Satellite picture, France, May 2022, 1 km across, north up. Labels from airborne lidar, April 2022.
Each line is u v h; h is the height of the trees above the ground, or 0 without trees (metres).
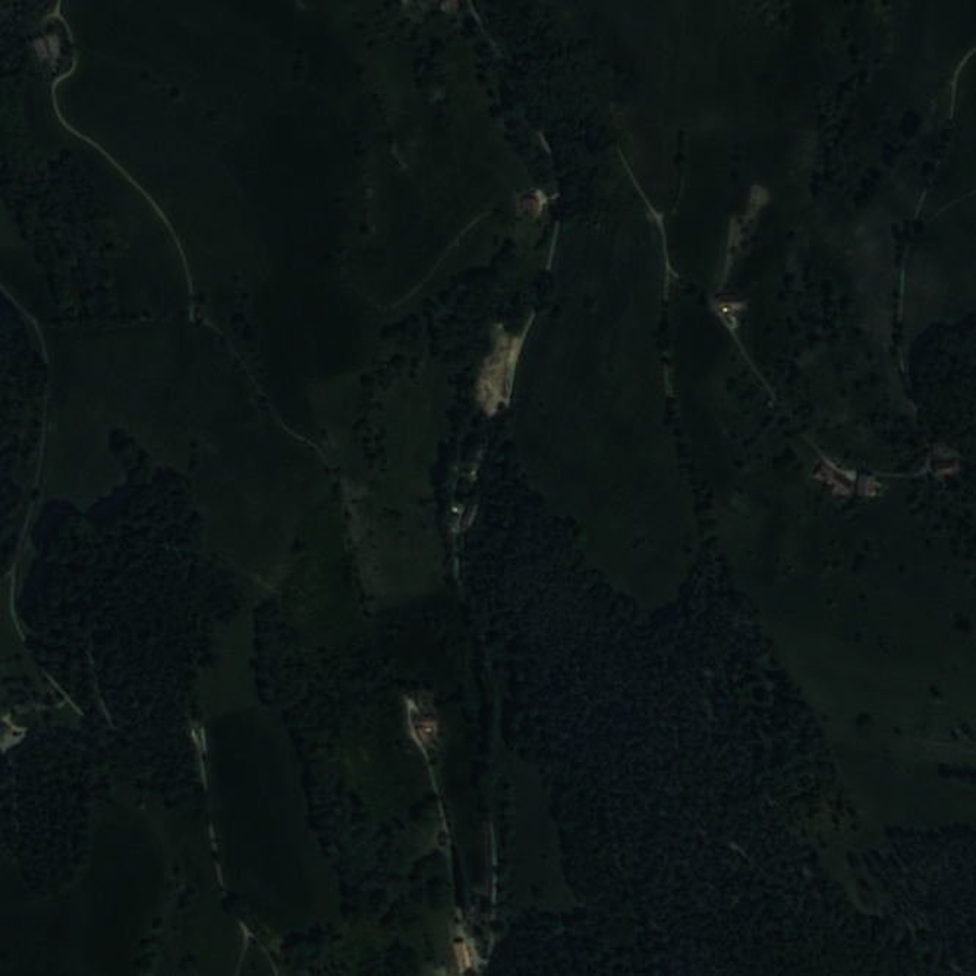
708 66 0
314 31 0
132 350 0
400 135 0
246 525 0
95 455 0
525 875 0
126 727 19
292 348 0
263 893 0
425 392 0
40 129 0
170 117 0
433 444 0
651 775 29
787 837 27
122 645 12
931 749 0
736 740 14
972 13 0
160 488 22
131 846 0
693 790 20
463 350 28
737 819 20
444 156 0
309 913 0
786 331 0
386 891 22
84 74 0
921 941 17
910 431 10
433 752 5
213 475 0
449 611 0
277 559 0
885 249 0
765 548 0
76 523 23
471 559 5
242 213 0
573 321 0
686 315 0
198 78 0
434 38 0
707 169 0
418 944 0
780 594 0
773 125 0
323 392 0
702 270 0
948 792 0
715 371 0
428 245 0
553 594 18
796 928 22
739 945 23
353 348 0
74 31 0
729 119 0
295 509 0
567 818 20
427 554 0
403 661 0
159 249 0
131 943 0
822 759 22
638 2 0
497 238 7
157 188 0
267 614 12
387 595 0
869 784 0
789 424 15
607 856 13
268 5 0
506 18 17
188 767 10
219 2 0
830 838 0
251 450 0
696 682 27
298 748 21
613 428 0
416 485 0
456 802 0
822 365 0
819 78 0
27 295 0
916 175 0
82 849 17
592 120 19
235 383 0
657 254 0
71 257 20
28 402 29
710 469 0
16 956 0
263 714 0
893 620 0
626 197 0
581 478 0
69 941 0
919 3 0
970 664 0
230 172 0
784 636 0
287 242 0
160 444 0
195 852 0
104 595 10
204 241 0
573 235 0
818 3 0
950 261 0
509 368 0
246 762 0
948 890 24
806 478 0
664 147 0
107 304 19
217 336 0
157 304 0
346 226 0
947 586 0
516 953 16
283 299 0
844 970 23
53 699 8
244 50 0
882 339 0
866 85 10
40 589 25
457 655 6
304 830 0
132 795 0
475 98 0
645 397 0
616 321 0
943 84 0
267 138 0
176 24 0
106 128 0
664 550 0
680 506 0
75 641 25
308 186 0
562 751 28
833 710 0
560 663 29
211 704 0
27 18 7
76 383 0
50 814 10
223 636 0
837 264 0
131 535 26
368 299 0
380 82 0
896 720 0
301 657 15
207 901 0
